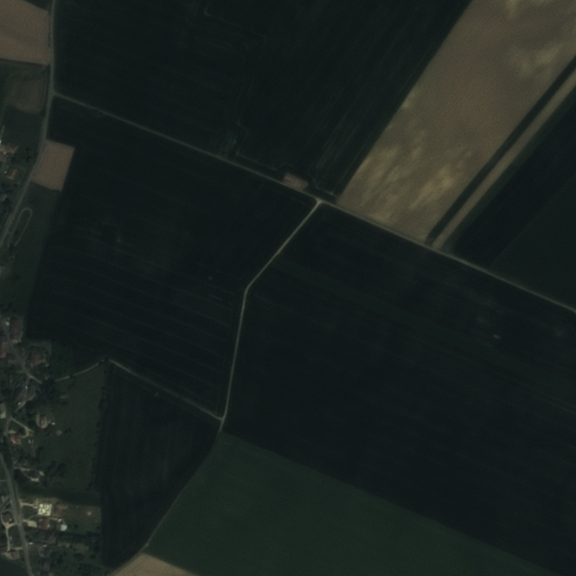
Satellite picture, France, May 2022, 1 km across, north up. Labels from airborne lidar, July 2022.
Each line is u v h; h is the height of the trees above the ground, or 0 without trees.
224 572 0
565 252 0
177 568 0
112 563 0
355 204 0
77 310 0
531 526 0
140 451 0
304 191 0
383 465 0
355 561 0
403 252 0
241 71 0
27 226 0
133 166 0
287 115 0
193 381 0
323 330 0
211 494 0
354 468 0
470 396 0
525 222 0
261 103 0
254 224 0
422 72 0
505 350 0
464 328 0
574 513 0
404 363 0
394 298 0
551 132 0
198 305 0
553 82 0
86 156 0
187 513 0
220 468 0
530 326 0
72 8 0
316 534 0
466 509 0
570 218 0
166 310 0
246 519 0
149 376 0
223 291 0
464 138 0
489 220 0
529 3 0
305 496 0
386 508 0
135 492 0
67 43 0
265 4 0
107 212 0
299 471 0
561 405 0
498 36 0
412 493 0
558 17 0
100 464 0
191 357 0
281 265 0
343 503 0
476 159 0
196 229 0
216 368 0
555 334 0
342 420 0
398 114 0
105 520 0
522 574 0
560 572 0
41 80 0
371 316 0
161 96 0
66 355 8
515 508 0
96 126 0
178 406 0
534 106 0
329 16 0
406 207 0
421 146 0
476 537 0
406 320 0
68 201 0
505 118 0
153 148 0
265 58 0
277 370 0
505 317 0
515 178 0
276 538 0
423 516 0
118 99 0
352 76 0
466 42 0
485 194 0
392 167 0
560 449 0
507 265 0
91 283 0
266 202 0
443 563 0
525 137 0
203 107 0
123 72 0
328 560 0
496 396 0
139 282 0
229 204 0
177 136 0
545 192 0
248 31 0
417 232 0
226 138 0
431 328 0
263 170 0
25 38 0
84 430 0
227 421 0
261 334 0
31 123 0
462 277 0
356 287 0
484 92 0
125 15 0
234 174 0
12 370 6
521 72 0
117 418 0
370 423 0
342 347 0
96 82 0
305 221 0
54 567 10
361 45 0
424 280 0
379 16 0
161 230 0
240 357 0
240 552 0
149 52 0
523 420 0
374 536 0
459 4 0
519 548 0
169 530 0
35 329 0
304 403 0
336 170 0
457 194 0
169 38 0
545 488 0
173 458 0
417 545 0
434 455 0
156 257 0
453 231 0
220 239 0
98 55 0
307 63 0
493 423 0
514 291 0
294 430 0
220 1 0
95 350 0
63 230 0
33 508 0
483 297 0
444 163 0
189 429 0
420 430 0
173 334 0
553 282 0
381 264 0
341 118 0
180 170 0
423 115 0
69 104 0
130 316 0
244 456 0
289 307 0
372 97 0
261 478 0
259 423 0
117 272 0
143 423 0
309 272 0
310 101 0
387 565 0
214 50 0
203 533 0
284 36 0
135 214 0
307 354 0
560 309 0
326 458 0
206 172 0
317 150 0
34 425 16
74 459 0
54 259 0
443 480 0
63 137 0
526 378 0
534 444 0
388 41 0
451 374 0
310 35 0
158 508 0
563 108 0
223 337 0
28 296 0
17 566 0
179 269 0
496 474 0
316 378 0
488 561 0
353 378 0
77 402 0
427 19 0
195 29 0
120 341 0
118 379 0
